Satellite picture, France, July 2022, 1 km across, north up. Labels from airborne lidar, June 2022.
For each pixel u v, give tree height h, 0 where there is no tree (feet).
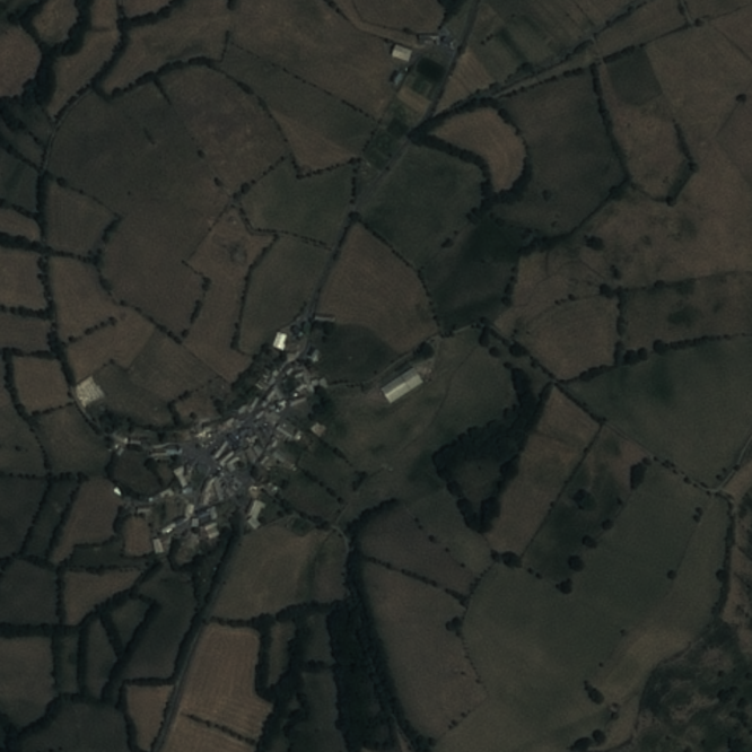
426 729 0
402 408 0
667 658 0
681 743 0
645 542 0
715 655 0
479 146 0
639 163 0
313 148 0
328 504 0
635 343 0
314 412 36
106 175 0
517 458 34
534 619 0
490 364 0
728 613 0
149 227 0
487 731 0
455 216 0
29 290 0
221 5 0
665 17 0
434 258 0
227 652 0
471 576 0
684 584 0
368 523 25
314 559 0
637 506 0
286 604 0
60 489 0
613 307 0
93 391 0
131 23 41
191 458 0
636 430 0
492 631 0
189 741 0
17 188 0
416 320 0
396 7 0
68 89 0
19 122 29
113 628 48
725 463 0
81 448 0
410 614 0
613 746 0
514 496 0
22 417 49
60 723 0
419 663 0
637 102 0
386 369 0
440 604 0
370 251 0
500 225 26
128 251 0
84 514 0
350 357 0
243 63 0
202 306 27
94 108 0
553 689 0
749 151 0
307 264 0
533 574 26
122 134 0
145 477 0
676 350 28
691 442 0
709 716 0
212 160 0
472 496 0
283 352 34
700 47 0
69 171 0
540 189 0
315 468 0
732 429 0
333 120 0
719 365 0
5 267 0
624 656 0
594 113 0
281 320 0
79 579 0
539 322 0
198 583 37
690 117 0
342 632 47
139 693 0
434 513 0
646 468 36
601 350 0
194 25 0
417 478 0
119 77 0
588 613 0
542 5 0
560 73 0
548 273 0
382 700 45
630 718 0
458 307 0
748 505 0
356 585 52
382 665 55
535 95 0
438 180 0
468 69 0
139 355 0
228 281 0
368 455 0
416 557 0
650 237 0
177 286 0
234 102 0
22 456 0
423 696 0
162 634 0
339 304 0
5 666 0
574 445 0
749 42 0
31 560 39
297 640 29
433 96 0
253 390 29
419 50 0
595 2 0
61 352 48
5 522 0
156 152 0
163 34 0
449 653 0
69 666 0
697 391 0
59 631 39
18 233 0
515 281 38
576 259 0
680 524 0
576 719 0
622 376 0
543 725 0
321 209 0
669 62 0
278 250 0
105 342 0
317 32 0
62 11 0
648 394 0
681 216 0
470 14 0
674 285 0
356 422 0
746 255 0
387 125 0
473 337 0
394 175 0
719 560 0
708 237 0
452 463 48
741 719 38
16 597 0
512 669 0
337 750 0
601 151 0
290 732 82
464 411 0
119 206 0
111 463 26
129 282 0
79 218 0
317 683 0
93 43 0
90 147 0
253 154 0
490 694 0
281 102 0
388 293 0
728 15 0
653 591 0
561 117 0
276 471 0
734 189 0
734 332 0
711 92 0
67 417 0
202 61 35
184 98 0
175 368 0
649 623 0
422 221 0
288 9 0
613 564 0
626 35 0
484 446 23
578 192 0
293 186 0
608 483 0
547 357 0
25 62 0
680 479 0
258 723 0
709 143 0
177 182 0
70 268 0
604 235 0
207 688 0
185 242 0
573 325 0
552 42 0
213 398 23
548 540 0
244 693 0
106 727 0
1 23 0
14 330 0
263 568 0
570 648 0
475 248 0
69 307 0
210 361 0
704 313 0
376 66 0
